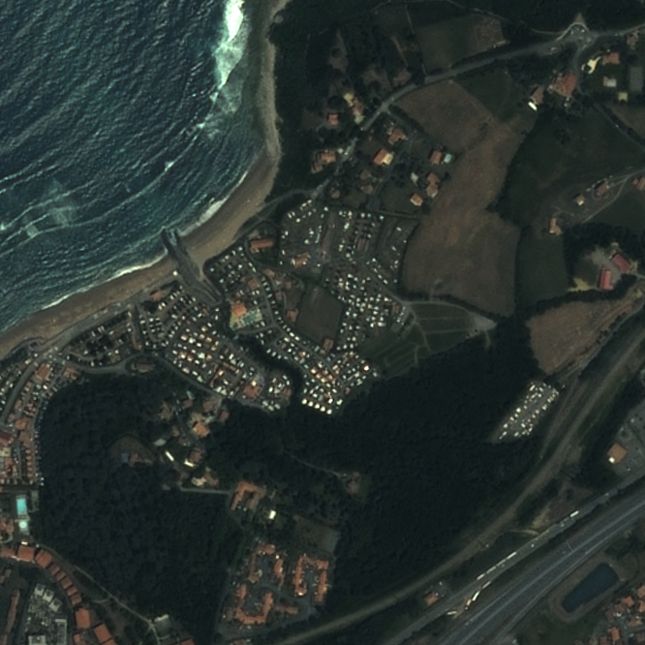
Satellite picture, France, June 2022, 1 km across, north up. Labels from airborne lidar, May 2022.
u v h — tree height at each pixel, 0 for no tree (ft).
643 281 0
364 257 0
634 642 29
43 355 0
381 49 52
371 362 28
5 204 0
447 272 0
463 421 50
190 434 0
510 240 0
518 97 0
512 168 24
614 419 46
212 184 0
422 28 0
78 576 27
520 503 0
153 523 94
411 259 0
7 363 17
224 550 41
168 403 51
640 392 53
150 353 23
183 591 27
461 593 0
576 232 32
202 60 0
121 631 0
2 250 0
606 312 0
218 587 27
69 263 0
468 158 0
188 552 80
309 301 0
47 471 76
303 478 83
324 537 0
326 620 0
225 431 47
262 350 30
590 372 20
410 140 0
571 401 0
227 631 0
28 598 42
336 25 23
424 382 24
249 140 0
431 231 0
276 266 21
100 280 0
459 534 26
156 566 98
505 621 0
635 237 47
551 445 0
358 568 44
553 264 0
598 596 0
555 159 0
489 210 25
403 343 0
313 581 0
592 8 23
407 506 61
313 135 33
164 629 0
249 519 29
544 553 0
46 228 0
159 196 0
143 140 0
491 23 0
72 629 31
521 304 18
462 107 0
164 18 0
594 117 0
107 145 0
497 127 0
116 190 0
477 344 35
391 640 0
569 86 0
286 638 25
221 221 0
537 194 0
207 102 0
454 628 0
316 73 21
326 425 44
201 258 0
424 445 57
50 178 0
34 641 0
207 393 31
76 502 87
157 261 0
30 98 0
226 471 77
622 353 0
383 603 0
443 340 0
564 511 0
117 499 49
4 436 0
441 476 64
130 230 0
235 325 0
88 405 48
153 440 67
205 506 45
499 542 23
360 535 100
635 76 0
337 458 74
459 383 53
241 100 0
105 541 101
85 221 0
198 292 0
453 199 0
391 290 0
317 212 0
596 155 0
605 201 0
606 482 42
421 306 0
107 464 68
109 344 24
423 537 61
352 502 44
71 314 0
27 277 0
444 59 0
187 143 0
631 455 0
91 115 0
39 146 0
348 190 21
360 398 22
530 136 18
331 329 0
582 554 0
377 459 58
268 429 63
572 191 0
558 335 0
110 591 25
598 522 0
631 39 0
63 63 0
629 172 0
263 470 68
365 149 0
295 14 0
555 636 0
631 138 22
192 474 21
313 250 0
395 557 44
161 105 0
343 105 63
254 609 0
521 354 52
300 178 0
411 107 0
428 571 0
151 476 62
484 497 47
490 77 0
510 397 56
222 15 0
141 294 0
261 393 0
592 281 0
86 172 0
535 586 0
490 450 49
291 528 26
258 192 0
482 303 0
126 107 0
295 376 36
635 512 0
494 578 0
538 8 20
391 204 0
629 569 0
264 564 0
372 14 19
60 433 59
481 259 0
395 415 45
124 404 48
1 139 0
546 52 0
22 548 0
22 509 0
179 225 0
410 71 41
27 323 0
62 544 76
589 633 0
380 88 25
